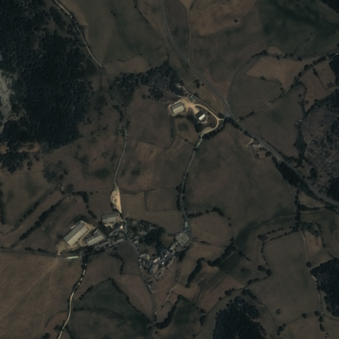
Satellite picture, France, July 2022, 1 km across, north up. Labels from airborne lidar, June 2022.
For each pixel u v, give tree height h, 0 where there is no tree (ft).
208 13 0
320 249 0
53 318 0
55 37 41
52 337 0
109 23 0
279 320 0
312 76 0
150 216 0
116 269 0
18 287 0
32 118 36
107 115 0
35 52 43
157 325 40
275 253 0
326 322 0
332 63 40
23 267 0
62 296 0
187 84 0
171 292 0
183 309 0
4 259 0
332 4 60
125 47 0
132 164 0
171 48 0
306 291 0
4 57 45
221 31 0
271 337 0
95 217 42
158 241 51
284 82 0
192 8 0
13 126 43
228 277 0
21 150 0
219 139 0
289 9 0
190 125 0
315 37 0
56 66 47
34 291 0
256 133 0
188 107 0
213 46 0
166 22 0
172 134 0
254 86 0
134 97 0
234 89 0
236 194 0
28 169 32
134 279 0
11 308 0
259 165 0
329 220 0
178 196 31
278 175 0
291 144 0
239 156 0
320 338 0
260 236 37
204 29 0
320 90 0
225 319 43
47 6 0
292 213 0
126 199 0
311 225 28
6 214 0
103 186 0
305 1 0
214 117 0
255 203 0
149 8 0
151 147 0
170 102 0
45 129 42
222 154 0
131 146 0
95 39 0
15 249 0
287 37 0
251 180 0
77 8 0
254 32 0
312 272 29
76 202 0
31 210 36
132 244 0
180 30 0
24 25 31
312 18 0
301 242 0
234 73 0
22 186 0
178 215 0
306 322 0
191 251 0
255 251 0
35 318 0
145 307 0
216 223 0
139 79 19
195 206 0
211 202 0
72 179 0
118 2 0
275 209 0
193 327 0
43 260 0
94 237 0
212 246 0
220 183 0
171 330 0
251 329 53
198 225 0
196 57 0
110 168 0
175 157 0
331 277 46
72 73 50
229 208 0
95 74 0
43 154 0
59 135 43
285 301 0
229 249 48
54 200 0
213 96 0
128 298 21
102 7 0
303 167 29
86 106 0
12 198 0
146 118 0
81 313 0
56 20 23
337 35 0
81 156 0
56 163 0
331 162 0
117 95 0
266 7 0
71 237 0
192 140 0
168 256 0
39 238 0
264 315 0
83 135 0
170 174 0
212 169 0
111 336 0
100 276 0
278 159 0
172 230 0
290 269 0
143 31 0
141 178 0
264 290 0
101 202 0
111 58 0
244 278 0
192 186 0
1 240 0
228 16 0
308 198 0
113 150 0
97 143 0
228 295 42
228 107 0
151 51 0
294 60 0
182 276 0
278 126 0
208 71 0
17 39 34
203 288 0
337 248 0
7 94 0
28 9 31
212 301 0
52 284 0
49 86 42
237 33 0
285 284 0
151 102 0
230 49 0
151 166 0
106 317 0
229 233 0
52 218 0
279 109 0
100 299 0
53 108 44
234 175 0
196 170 0
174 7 0
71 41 45
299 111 0
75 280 0
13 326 0
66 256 0
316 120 0
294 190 0
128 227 19
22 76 27
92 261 0
